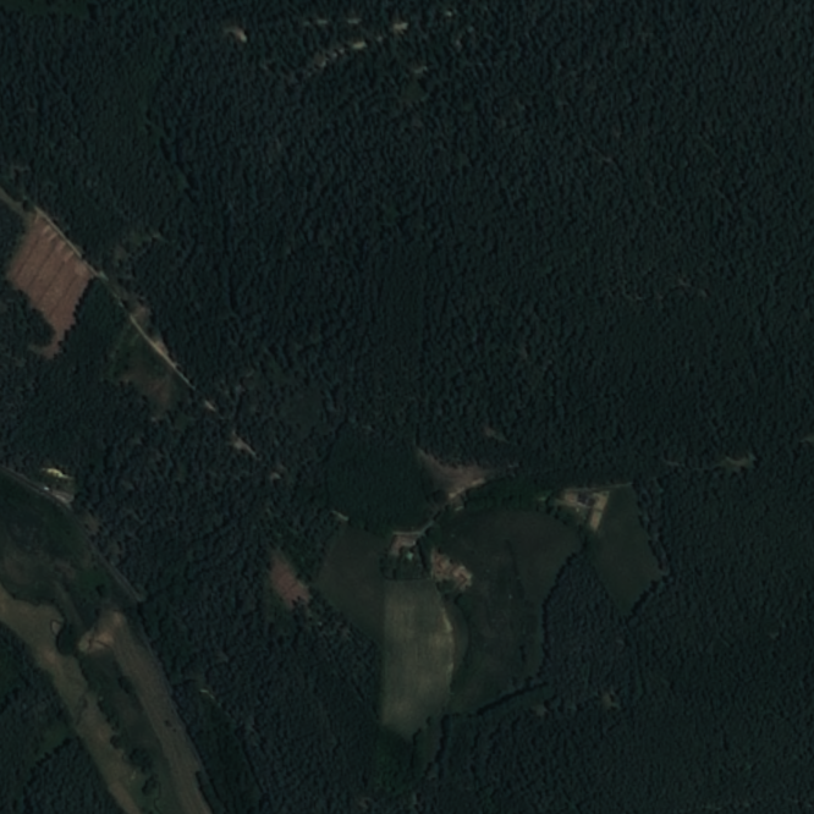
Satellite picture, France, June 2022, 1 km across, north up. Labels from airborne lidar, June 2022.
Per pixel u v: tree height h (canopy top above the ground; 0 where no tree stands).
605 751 23
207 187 25
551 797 23
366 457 14
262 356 24
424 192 26
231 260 22
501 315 27
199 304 22
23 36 27
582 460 17
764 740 23
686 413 21
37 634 0
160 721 0
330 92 25
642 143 25
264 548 15
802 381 34
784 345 21
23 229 13
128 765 0
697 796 18
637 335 23
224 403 19
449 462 10
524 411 10
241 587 25
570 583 21
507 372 20
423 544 19
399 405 17
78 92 21
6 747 26
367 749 21
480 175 20
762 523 21
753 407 22
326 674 21
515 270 23
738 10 22
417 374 23
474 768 13
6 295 19
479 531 0
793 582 12
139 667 0
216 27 29
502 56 29
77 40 20
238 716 23
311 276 26
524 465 15
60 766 22
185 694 19
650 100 18
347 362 20
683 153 21
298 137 22
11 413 17
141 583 14
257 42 10
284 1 23
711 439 29
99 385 14
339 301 27
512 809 18
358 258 15
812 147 27
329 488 19
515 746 15
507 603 0
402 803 18
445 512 10
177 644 15
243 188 19
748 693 17
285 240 22
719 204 22
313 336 21
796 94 27
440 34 17
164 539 27
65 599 0
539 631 0
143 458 24
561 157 27
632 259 20
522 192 26
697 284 19
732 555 23
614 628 21
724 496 29
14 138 24
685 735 22
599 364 25
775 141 25
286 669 28
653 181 23
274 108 31
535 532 0
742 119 25
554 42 24
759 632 17
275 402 8
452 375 33
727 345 22
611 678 21
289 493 21
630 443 33
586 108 18
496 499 13
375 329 26
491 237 29
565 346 15
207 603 15
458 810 26
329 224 28
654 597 24
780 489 25
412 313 29
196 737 17
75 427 16
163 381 0
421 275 27
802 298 21
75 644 11
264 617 21
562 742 23
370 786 27
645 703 28
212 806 12
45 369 20
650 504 22
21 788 22
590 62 23
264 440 17
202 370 23
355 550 0
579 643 20
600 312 25
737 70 27
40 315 18
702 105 19
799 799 22
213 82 24
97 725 0
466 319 21
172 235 26
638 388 19
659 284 18
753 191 25
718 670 19
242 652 23
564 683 17
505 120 23
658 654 21
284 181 12
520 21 20
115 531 13
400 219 9
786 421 24
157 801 0
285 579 0
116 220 20
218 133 24
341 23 21
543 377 13
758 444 27
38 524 0
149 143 28
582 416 16
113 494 11
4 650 9
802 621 14
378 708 19
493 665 0
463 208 27
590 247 23
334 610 20
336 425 12
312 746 24
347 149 25
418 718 0
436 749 0
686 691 20
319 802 25
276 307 25
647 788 19
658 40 10
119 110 27
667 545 21
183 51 25
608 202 18
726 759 24
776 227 28
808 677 16
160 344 0
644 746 23
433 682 0
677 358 26
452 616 0
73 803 19
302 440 14
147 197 26
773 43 23
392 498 19
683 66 28
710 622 25
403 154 22
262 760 23
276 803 22
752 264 27
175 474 17
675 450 27
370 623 0
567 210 24
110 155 29
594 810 22
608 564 0
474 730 30
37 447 26
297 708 24
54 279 0
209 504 15
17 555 0
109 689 0
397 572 11
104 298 26
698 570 25
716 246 19
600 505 0
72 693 0
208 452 14
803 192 26
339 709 19
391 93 19
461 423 14
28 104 29
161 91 26
